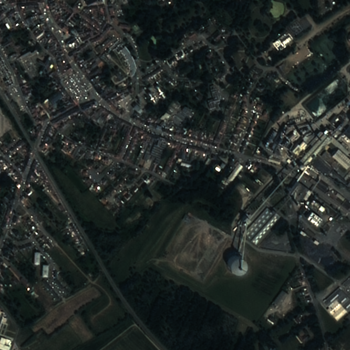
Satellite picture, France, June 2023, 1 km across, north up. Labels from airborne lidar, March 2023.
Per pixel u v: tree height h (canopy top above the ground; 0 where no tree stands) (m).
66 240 6
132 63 0
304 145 0
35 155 0
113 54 14
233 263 0
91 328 7
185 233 0
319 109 0
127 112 0
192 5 14
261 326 16
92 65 0
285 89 15
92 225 13
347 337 0
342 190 0
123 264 0
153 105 16
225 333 16
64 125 0
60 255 0
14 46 0
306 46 0
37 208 9
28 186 10
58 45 0
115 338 0
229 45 16
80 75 0
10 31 12
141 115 6
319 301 0
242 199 0
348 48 0
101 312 0
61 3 0
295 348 0
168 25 16
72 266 0
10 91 0
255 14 0
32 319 12
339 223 0
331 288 0
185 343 17
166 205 0
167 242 0
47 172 0
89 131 8
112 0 0
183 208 0
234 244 0
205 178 18
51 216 10
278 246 0
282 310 0
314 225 0
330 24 0
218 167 0
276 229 16
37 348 0
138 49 0
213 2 16
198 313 23
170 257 0
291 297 0
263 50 9
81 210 0
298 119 6
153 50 23
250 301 0
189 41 0
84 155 0
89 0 0
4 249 13
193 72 18
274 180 17
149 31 17
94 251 0
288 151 0
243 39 9
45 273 0
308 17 0
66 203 0
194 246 0
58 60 0
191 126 6
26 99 0
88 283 0
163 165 0
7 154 0
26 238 0
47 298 0
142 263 0
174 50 0
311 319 19
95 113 0
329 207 0
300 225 0
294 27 0
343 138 0
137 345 0
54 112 0
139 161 0
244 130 0
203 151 0
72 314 0
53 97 0
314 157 0
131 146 0
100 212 0
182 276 0
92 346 0
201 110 12
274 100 12
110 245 9
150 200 0
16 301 8
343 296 0
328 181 0
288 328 0
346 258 0
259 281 0
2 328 0
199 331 21
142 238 0
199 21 19
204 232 0
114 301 0
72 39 0
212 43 9
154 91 0
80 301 0
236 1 12
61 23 0
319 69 0
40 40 0
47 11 0
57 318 0
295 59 0
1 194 7
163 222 0
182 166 7
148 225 0
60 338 0
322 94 0
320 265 0
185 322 22
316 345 17
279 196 0
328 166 0
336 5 11
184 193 21
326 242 0
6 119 0
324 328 0
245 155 0
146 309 19
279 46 0
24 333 0
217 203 14
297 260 0
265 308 0
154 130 0
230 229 0
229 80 19
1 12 0
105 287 0
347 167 0
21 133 10
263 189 0
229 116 0
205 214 0
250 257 0
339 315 0
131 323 0
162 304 22
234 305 0
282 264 0
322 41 0
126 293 28
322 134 0
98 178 0
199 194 18
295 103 0
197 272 0
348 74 0
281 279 0
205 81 18
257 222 0
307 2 0
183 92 7
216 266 0
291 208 0
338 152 0
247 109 0
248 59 0
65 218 0
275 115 0
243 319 0
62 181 0
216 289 0
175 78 0
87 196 0
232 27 14
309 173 0
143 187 14
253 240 0
